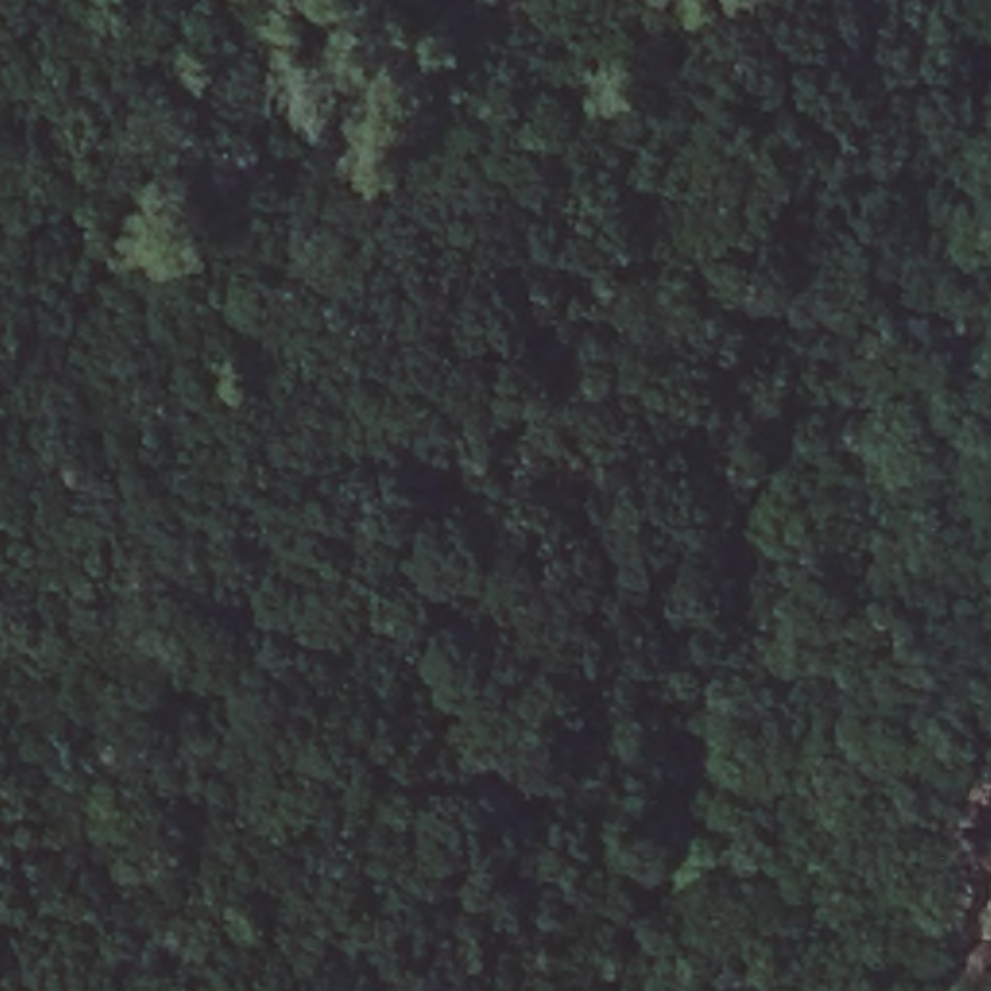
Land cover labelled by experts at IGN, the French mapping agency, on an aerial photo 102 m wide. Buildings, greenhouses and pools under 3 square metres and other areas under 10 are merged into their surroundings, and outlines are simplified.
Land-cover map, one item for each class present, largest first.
<instances>
[{"label":"deciduous trees","instance_id":"1","mask_svg":"<svg viewBox=\"0 0 991 991\"><path fill-rule=\"evenodd\" d=\"M271 0H0V991H929L948 968V937L941 921L945 890L952 886L956 832L972 828L979 817V801H972V790L983 782L991 751V0H515L507 39L484 43V89L453 93V124L441 151L395 170V190L364 197L352 186V178L341 174L337 159L329 155V143L321 135L306 139L286 116V85L271 70V43L259 39Z\"/></svg>","mask_w":991,"mask_h":991},{"label":"coniferous trees","instance_id":"2","mask_svg":"<svg viewBox=\"0 0 991 991\"><path fill-rule=\"evenodd\" d=\"M515 0H271L259 39L271 43V70L286 85V116L306 139L321 135L329 143V155L337 159L341 174L352 178V186L364 197L395 190V170L441 151L453 124V93L484 89V43L507 39Z\"/></svg>","mask_w":991,"mask_h":991},{"label":"bare soil","instance_id":"3","mask_svg":"<svg viewBox=\"0 0 991 991\"><path fill-rule=\"evenodd\" d=\"M972 801H979V817L972 828L956 832L952 886L945 890L941 921L948 937V968L929 991H991V751L983 782L972 790Z\"/></svg>","mask_w":991,"mask_h":991}]
</instances>
